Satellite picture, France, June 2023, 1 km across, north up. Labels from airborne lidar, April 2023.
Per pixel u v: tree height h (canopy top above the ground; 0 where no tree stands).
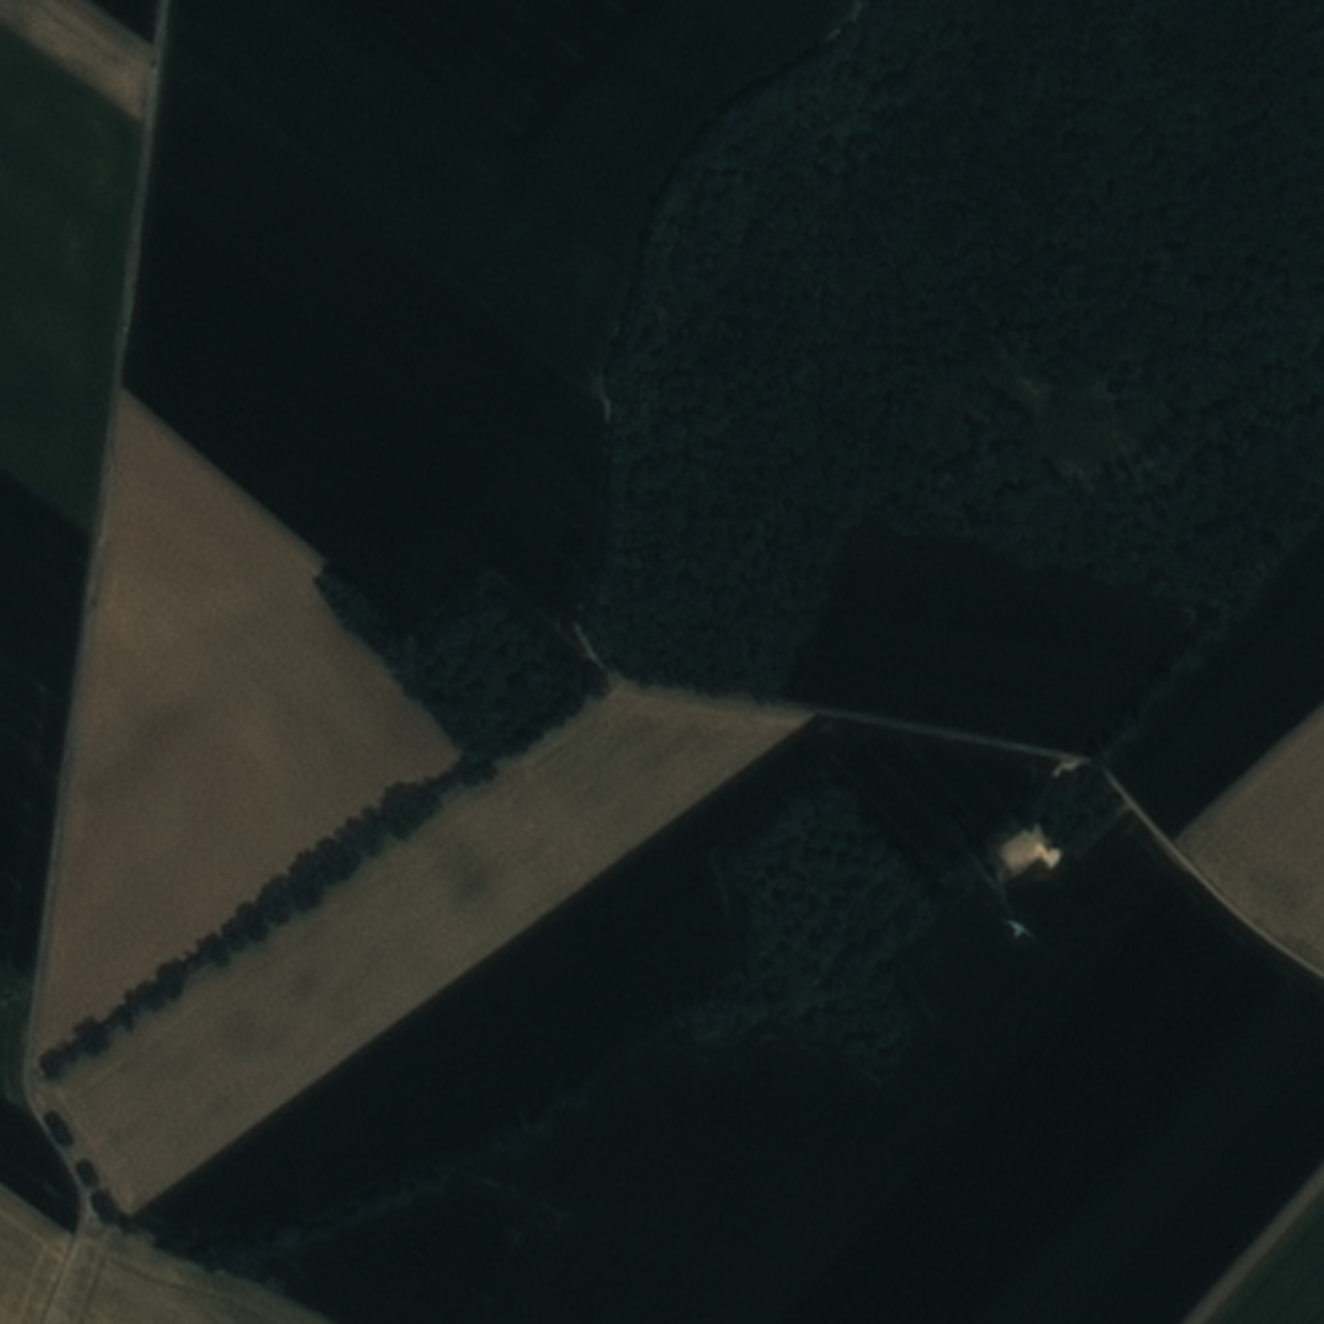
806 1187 0
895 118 23
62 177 0
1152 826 0
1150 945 0
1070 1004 0
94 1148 0
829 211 22
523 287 0
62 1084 0
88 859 0
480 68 0
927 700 0
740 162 12
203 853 0
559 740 0
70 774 0
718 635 27
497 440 0
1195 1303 0
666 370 18
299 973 0
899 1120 0
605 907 0
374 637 22
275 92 0
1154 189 26
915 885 18
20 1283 0
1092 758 15
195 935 0
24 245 0
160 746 0
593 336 0
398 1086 0
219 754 0
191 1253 7
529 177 0
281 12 0
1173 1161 0
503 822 0
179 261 0
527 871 0
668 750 0
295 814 0
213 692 0
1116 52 26
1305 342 19
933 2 26
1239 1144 0
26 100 0
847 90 14
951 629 0
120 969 0
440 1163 0
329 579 13
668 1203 0
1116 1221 0
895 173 27
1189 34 27
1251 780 0
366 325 0
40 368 0
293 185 0
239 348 0
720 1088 0
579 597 0
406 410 0
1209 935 0
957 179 26
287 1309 0
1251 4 30
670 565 24
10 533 0
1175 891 0
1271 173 25
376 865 0
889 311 28
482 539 0
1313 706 0
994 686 0
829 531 20
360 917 0
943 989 0
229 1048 0
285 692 0
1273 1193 0
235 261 0
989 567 0
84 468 0
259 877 0
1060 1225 0
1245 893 0
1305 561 0
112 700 0
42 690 0
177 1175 0
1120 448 0
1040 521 21
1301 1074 0
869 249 27
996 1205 0
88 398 0
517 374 0
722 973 0
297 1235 15
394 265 0
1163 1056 0
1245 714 0
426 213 0
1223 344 11
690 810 0
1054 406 0
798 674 0
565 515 0
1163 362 21
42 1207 0
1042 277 22
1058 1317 0
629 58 0
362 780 0
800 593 24
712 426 24
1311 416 23
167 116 0
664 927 0
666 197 15
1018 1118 0
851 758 0
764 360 26
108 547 0
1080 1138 0
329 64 0
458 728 17
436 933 0
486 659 21
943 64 24
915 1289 0
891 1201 0
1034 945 0
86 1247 0
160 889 0
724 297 26
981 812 0
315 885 18
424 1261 0
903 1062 0
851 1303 0
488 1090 0
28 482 0
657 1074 0
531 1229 0
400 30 0
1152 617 0
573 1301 0
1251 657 0
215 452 0
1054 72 26
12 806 0
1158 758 0
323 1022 0
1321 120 24
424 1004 0
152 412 0
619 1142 0
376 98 0
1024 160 29
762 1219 0
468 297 0
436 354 0
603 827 0
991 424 24
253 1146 0
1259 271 24
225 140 0
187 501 0
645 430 22
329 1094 0
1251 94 29
